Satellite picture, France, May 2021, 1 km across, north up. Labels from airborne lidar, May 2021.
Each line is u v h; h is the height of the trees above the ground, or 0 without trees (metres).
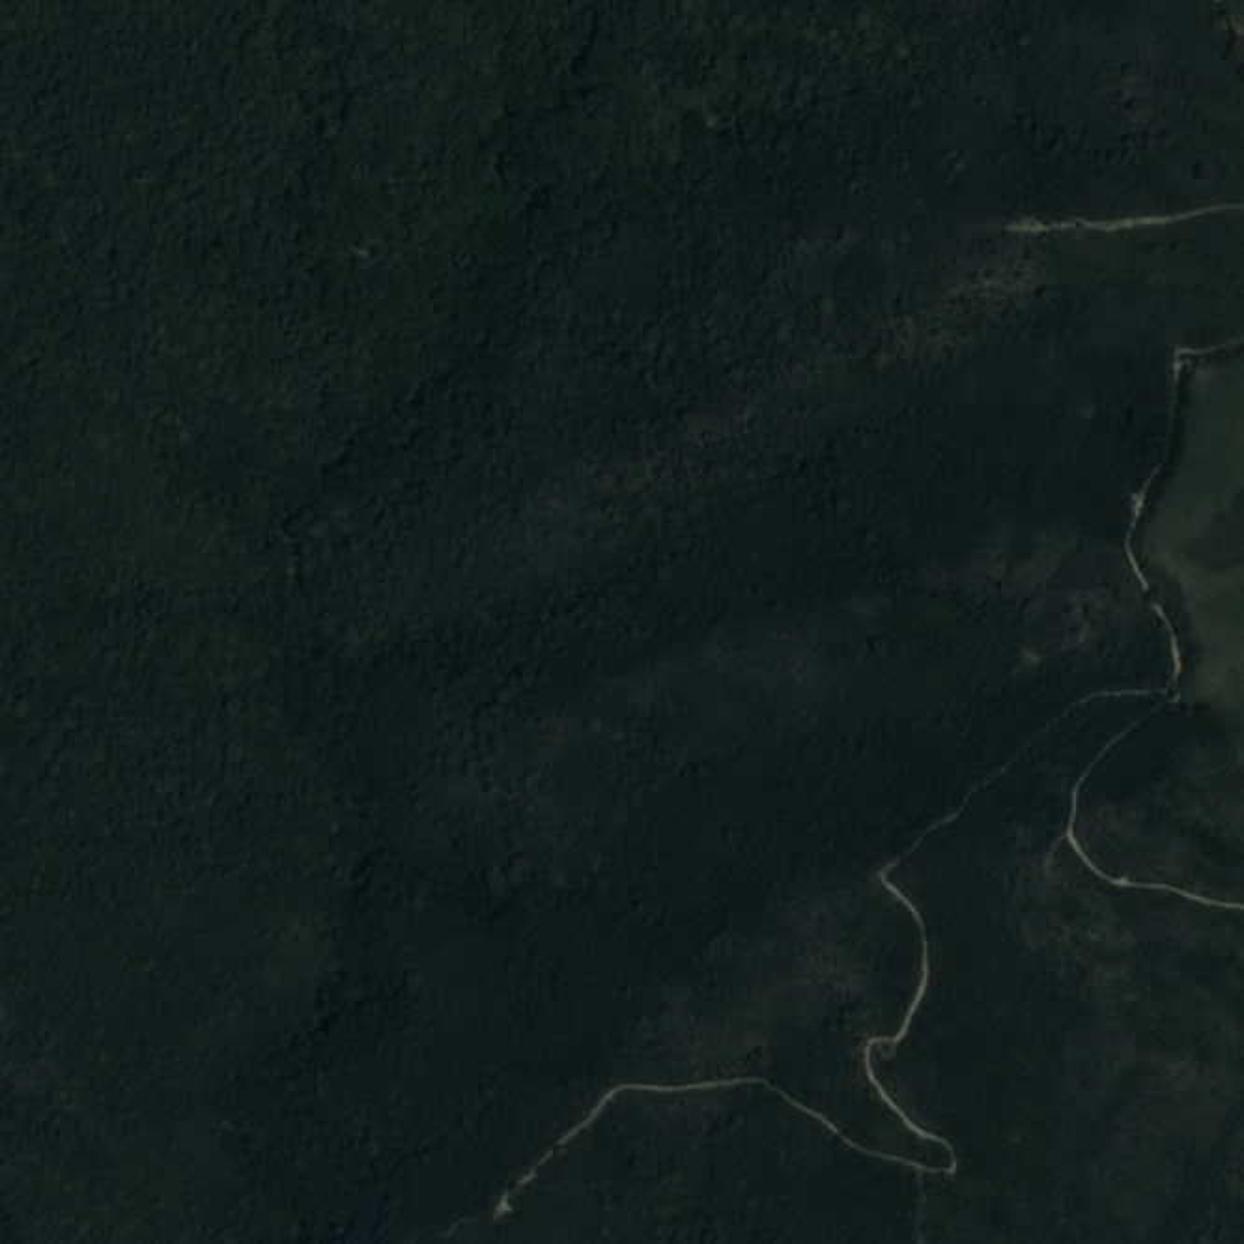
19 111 13
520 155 20
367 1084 8
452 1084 7
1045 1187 6
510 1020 8
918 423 6
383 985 10
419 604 7
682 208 9
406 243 16
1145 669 6
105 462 11
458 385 20
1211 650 0
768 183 8
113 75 11
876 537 7
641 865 5
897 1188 7
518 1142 6
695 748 6
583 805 7
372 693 7
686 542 11
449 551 10
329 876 8
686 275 11
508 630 9
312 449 18
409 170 11
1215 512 0
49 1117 9
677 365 15
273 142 10
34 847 11
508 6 16
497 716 12
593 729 11
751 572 7
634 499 6
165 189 13
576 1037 7
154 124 12
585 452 6
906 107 7
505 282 27
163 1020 7
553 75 16
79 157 12
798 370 9
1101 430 6
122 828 11
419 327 15
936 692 5
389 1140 9
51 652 16
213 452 22
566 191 20
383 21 7
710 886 6
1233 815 0
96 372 14
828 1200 6
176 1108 8
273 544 21
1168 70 6
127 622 13
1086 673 6
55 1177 11
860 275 6
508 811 11
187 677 13
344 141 15
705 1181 10
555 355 11
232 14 12
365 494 18
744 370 10
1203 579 0
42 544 12
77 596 15
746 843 5
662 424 8
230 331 12
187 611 13
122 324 13
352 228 6
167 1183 6
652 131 12
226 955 6
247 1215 11
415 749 7
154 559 9
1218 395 0
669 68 9
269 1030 7
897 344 6
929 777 6
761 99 17
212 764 12
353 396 18
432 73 9
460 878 12
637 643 5
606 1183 11
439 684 8
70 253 11
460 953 6
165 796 6
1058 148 10
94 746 12
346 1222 6
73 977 8
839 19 6
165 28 10
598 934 6
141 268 11
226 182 15
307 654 27
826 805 6
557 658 6
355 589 6
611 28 19
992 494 6
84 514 10
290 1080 13
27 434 9
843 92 11
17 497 13
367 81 13
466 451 16
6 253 9
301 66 17
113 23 11
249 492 20
